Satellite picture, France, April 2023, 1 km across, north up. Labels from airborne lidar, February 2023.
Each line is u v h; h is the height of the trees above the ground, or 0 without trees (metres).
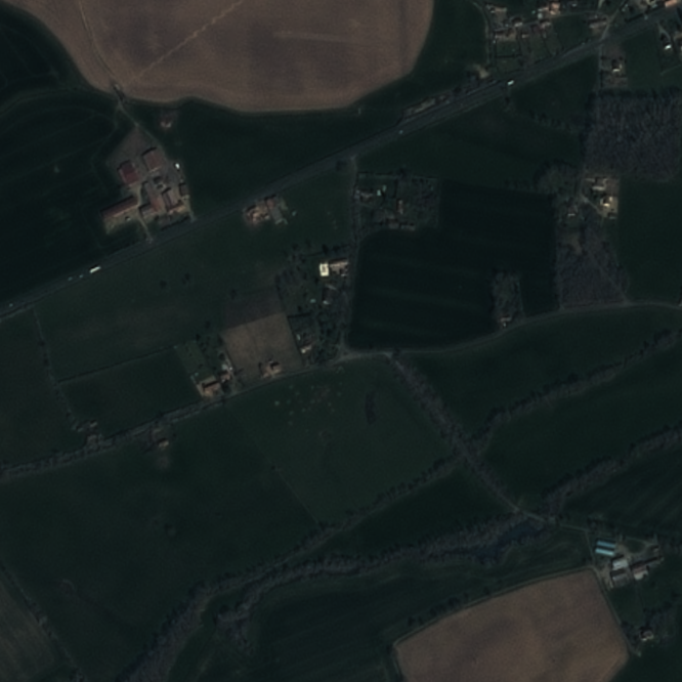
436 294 0
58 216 0
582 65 0
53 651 0
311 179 0
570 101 0
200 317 0
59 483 0
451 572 0
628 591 0
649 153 26
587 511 0
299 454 0
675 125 11
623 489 0
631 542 0
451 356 0
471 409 0
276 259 0
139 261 0
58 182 0
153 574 0
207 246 0
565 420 0
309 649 0
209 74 0
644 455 0
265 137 0
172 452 0
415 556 15
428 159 0
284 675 0
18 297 0
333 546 0
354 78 0
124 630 0
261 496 0
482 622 0
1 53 0
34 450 0
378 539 0
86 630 0
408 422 0
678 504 0
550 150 0
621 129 35
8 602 0
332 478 0
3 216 0
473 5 0
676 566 0
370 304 0
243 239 0
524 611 0
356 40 0
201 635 0
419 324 0
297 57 0
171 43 0
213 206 0
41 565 0
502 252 0
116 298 0
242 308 0
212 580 0
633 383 0
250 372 0
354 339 0
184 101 0
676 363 0
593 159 22
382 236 0
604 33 0
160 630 0
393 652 15
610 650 0
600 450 0
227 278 0
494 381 0
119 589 0
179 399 0
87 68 0
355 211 12
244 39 0
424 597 0
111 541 0
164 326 0
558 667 0
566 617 0
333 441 0
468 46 0
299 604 0
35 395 0
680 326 0
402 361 18
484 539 21
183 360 0
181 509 0
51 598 0
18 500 0
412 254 0
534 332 0
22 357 0
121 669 0
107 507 0
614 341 0
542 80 0
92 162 0
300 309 8
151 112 0
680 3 0
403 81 0
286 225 0
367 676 0
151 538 0
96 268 0
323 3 0
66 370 0
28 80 0
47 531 0
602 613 0
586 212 18
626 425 0
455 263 0
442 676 0
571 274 14
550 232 0
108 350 0
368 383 0
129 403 0
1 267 0
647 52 0
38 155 0
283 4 0
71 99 0
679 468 0
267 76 0
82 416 0
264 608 0
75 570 0
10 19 0
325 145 0
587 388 18
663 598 0
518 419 0
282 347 0
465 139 0
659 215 0
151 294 0
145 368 0
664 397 0
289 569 14
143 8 0
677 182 0
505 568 0
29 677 0
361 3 0
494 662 0
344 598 0
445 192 0
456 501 0
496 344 0
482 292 0
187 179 0
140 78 0
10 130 0
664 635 11
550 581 0
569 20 0
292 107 0
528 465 0
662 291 0
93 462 0
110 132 0
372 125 0
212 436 0
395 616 0
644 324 0
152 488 0
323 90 0
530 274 0
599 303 13
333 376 0
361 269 0
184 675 0
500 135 0
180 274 0
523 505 0
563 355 0
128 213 0
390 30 0
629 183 0
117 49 0
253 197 0
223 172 0
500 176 0
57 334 0
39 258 0
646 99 20
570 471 0
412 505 0
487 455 0
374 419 0
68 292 0
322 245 0
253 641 0
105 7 0
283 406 0
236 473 0
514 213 0
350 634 0
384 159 0
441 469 18
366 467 0
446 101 7
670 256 0
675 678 0
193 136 0
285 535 0
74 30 0
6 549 0
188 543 0
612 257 15
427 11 0
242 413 0
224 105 0
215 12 0
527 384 0
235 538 0
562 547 0
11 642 0
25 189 0
